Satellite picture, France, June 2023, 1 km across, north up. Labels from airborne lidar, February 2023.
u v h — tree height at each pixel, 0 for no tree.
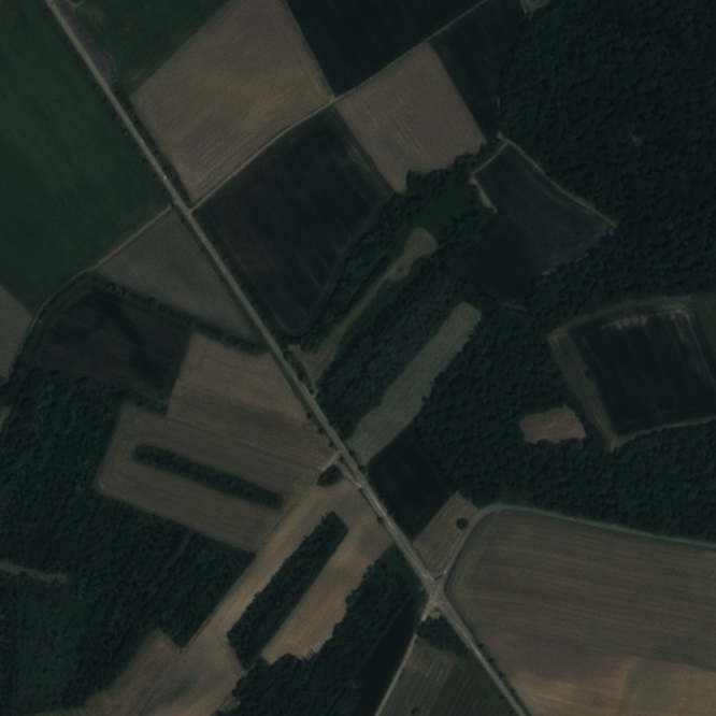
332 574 0
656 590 0
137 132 0
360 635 6
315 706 14
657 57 31
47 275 0
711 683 0
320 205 0
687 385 0
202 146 0
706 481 23
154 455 12
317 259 0
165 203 0
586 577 0
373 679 0
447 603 0
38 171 0
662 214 27
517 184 0
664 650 0
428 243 0
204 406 0
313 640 0
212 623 0
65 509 17
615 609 0
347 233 0
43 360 0
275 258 0
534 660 0
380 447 0
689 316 0
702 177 25
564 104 24
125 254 0
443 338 0
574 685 0
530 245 0
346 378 19
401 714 0
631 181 27
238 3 0
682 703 0
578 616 0
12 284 0
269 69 0
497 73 0
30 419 17
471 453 26
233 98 0
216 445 0
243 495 17
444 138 0
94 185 0
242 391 0
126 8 0
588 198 18
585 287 21
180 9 0
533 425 0
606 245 22
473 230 24
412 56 0
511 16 0
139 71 0
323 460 0
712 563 0
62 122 0
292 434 0
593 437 17
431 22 0
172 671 0
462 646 15
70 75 0
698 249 23
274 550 0
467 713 0
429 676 0
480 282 0
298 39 0
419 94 0
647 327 0
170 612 8
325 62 0
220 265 0
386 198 0
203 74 0
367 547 0
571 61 25
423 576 0
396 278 0
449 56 0
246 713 21
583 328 0
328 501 0
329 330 11
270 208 0
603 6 24
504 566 0
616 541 0
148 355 0
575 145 22
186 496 0
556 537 0
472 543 0
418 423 10
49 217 0
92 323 0
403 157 0
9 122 0
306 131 0
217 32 0
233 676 0
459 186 0
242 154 0
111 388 7
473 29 0
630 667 0
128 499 0
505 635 0
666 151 28
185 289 0
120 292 11
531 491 19
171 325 0
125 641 18
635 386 0
